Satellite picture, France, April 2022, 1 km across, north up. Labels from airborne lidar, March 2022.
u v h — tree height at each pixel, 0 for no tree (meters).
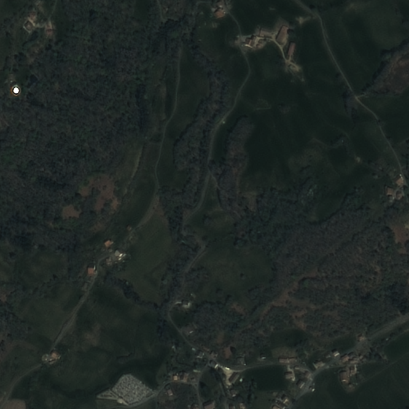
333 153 0
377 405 0
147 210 0
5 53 0
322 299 17
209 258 0
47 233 25
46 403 0
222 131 0
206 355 0
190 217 0
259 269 0
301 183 6
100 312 0
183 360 0
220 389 0
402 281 10
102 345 0
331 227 16
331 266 21
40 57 14
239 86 0
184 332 0
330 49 0
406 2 0
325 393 0
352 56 0
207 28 0
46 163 28
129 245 0
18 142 7
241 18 0
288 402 0
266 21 0
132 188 10
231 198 30
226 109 26
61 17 0
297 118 0
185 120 0
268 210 25
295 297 16
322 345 0
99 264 0
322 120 0
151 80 25
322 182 0
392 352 0
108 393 0
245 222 18
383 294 16
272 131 0
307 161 0
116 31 35
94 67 30
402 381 0
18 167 25
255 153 0
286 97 0
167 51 19
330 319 17
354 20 0
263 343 13
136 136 21
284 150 0
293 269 19
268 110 0
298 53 0
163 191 12
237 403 13
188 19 23
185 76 0
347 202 12
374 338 0
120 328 0
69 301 0
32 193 25
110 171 14
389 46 0
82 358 0
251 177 0
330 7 0
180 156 26
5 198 30
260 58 0
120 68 27
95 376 0
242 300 0
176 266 6
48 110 26
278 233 22
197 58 20
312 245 18
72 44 26
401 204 10
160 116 0
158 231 0
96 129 30
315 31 0
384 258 17
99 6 27
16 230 26
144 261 0
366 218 11
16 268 6
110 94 29
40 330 0
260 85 0
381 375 0
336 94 0
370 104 0
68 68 26
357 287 19
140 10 0
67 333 0
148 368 0
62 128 21
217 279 0
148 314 0
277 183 0
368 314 30
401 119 0
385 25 0
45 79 21
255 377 0
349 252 16
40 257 0
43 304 0
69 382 0
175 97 0
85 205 16
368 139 0
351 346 0
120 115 24
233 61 0
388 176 7
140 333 0
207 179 0
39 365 0
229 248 0
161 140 7
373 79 0
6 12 0
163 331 24
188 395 10
